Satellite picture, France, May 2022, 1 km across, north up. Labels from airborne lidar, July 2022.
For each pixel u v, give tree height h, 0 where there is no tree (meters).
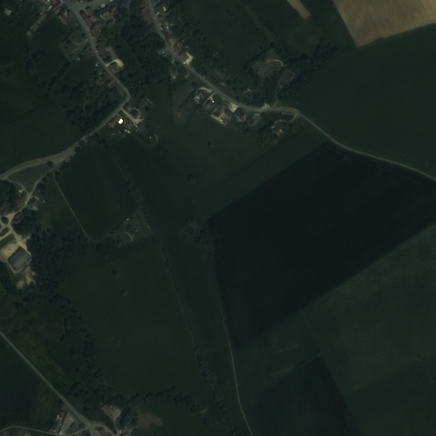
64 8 7
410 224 0
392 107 0
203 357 7
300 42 0
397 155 0
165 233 0
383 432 0
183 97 0
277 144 0
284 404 0
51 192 0
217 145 0
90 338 16
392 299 0
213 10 0
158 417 0
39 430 0
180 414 0
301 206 0
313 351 0
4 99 0
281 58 11
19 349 0
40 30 0
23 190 0
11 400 0
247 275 0
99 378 12
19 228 25
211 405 0
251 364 0
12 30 0
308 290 0
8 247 0
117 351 0
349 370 0
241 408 0
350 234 0
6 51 0
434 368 0
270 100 13
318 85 0
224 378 0
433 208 0
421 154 0
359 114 0
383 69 0
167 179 0
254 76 15
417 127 0
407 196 0
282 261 0
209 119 0
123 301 0
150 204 0
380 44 0
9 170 0
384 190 0
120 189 0
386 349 0
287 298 0
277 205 0
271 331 0
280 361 0
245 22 0
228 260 0
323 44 7
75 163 0
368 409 0
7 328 0
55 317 0
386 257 0
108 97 6
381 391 0
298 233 0
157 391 0
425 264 0
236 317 0
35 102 0
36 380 0
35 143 0
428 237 0
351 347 0
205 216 0
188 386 0
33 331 0
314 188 0
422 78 0
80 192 0
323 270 0
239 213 0
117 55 6
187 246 0
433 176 0
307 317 0
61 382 0
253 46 0
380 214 0
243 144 0
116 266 0
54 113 0
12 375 0
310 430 0
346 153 0
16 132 0
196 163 0
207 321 0
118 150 0
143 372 0
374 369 0
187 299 0
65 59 0
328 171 0
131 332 0
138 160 0
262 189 0
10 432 0
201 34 8
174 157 0
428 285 0
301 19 0
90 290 0
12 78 0
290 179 0
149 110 16
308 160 0
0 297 0
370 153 0
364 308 0
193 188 0
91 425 0
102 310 0
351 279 0
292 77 0
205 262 0
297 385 0
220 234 0
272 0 0
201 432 0
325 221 0
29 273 0
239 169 0
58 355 0
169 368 0
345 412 0
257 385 0
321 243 0
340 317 0
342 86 0
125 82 13
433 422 0
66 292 0
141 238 0
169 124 0
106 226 0
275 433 0
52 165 15
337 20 0
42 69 0
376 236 0
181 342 0
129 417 18
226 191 0
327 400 0
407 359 0
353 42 0
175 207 0
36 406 0
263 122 0
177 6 18
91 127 19
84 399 0
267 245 0
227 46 0
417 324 0
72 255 23
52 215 0
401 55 0
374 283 0
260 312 0
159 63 24
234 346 0
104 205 0
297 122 0
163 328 0
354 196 0
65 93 19
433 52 0
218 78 0
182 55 0
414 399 0
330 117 0
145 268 0
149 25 6
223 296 0
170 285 0
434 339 0
